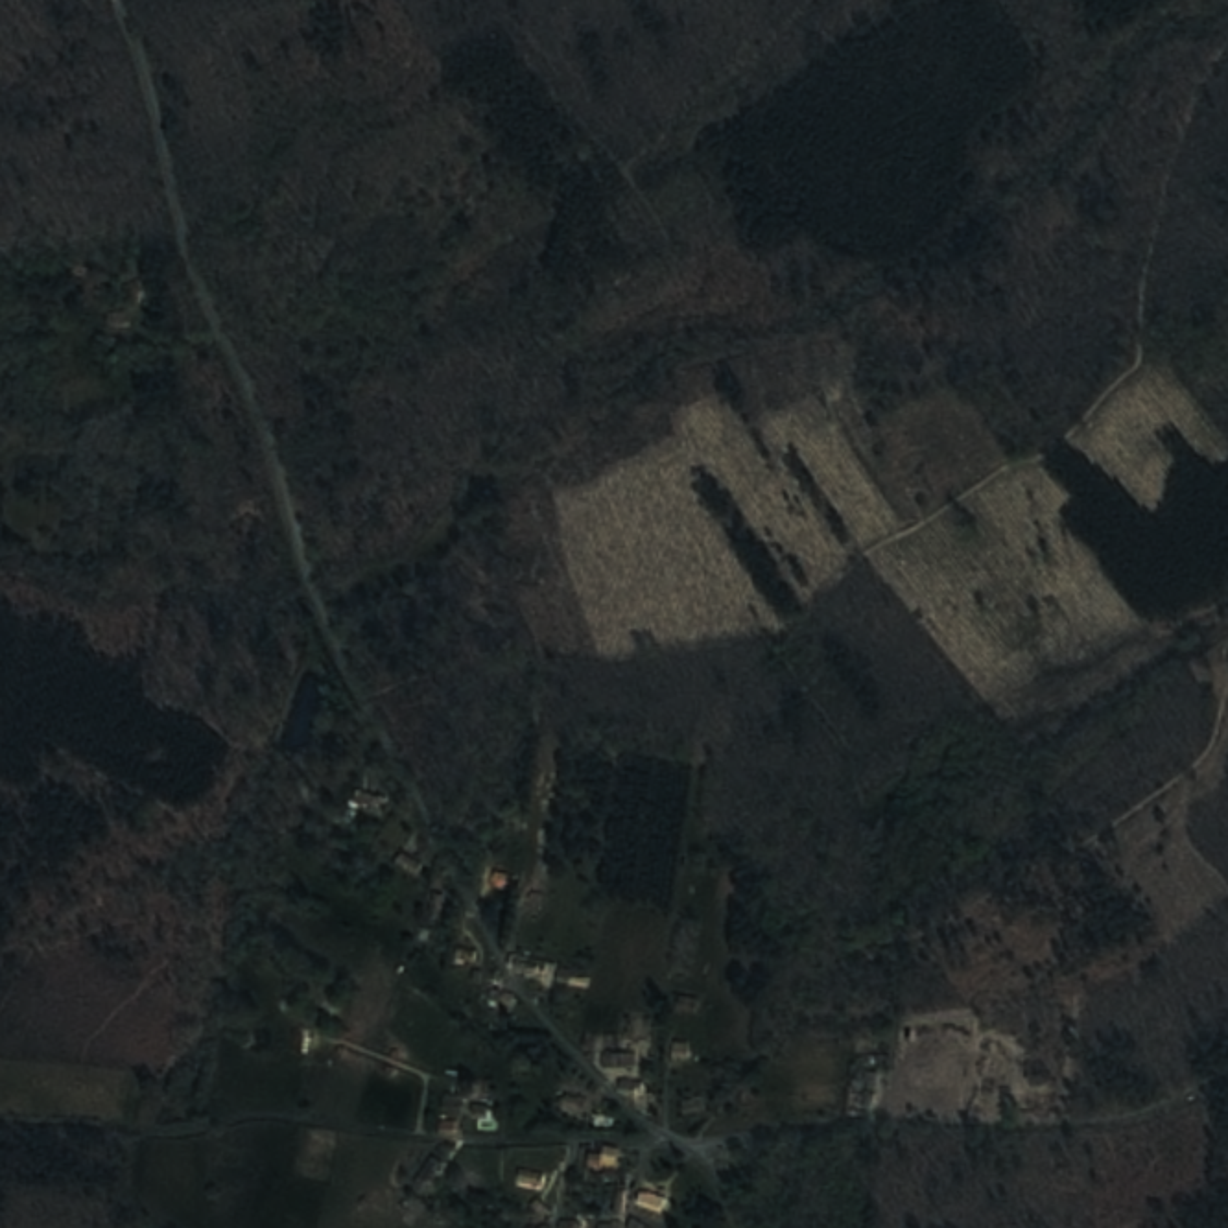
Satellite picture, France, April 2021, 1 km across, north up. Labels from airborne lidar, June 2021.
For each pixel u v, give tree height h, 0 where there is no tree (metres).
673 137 13
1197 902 0
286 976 16
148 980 10
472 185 12
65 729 8
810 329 10
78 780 12
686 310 7
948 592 0
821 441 0
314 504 12
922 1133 16
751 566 16
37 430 15
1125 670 0
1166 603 12
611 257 22
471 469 12
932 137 16
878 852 24
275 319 16
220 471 9
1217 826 10
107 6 13
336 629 12
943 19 13
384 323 18
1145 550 13
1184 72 16
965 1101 0
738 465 0
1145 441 0
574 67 11
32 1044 0
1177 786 0
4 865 9
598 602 0
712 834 7
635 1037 0
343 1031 9
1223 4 17
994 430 14
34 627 10
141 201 12
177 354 14
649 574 0
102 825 16
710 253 9
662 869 11
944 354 14
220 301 14
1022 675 0
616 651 0
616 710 9
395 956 0
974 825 17
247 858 24
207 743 9
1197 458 12
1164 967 13
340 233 11
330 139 10
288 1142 0
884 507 0
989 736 15
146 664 9
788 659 11
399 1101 0
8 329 12
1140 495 0
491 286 10
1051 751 18
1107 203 26
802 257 15
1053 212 19
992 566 0
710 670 12
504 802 13
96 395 0
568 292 20
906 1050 0
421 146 13
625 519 0
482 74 21
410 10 12
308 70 7
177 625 14
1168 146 14
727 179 9
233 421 9
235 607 10
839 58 15
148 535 19
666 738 14
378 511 17
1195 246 13
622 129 13
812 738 15
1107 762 10
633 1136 10
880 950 6
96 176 14
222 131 11
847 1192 18
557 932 0
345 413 12
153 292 19
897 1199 13
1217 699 18
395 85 6
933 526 0
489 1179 0
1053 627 0
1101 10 17
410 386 12
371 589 0
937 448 0
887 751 12
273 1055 16
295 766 9
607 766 20
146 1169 0
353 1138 0
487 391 16
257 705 18
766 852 15
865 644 11
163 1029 0
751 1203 14
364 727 10
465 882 17
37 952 11
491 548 14
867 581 11
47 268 16
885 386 10
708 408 0
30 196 11
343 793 0
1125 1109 12
